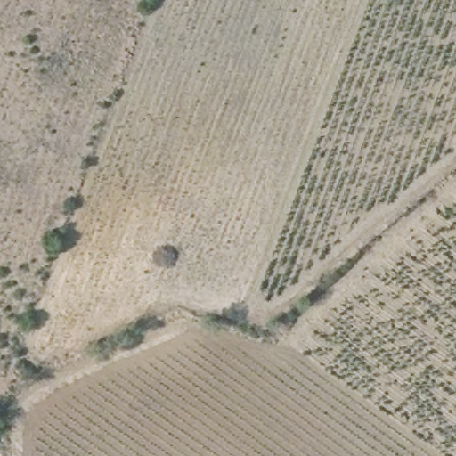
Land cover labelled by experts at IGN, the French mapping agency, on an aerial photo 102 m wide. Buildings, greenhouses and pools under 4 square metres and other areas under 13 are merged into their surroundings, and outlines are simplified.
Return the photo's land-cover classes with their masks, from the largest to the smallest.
<instances>
[{"label":"vineyard","instance_id":"1","mask_svg":"<svg viewBox=\"0 0 456 456\"><path fill-rule=\"evenodd\" d=\"M139 11L150 16L146 27L142 28L139 45H134L139 50L135 53L134 64L130 66V73L126 77L123 96L116 105L103 110L102 119L109 125L105 126V135L98 144V164L89 167L87 171L82 191L84 203L82 207L75 208L69 199L64 201V214H73V223L80 233V239L73 248L62 251L59 248V240L52 237V233L46 232L43 235L46 260L53 262V269L46 285L45 296L41 297L37 308L48 312V319L41 328L34 330L28 310L16 313L12 308L11 312H5L7 319L30 331L25 338L28 360L52 369L53 378L36 381L27 392H21L16 399L9 395L0 397V456H456V0H141ZM374 235H381V240L342 280L335 283L331 294L317 305L308 308L294 326H283L278 322L276 315L289 312L296 299L310 294L317 287L321 274L333 273L340 265L346 264L347 258L356 255L358 249L365 246ZM160 246H175L178 249L180 256L173 267L153 262V253ZM296 251L299 253L297 262L306 264L308 260H312V269L303 271L296 285H287L281 296H274L271 301H265L262 281L269 262L283 256L290 258ZM232 305L235 308H246L248 321L271 331V337H251L249 333H242L233 326L219 322L207 324L210 313H221ZM142 315H155L166 324L159 330L146 331L142 344L134 349L116 351L109 360L103 362H98L96 356L85 353V346L89 340H98L114 331L125 330L130 322L137 321Z\"/></svg>","mask_w":456,"mask_h":456},{"label":"plowed land","instance_id":"2","mask_svg":"<svg viewBox=\"0 0 456 456\"><path fill-rule=\"evenodd\" d=\"M141 0H0V397L9 395L16 399L21 392H27L36 381L53 378L52 369L28 360L25 338L30 331L7 319L5 312H11L12 308L16 313L28 310L34 330L41 328L48 319V312L37 308L41 297L45 296L46 285L53 269V262L46 260L43 235L46 232L52 233V237L59 240V248L62 251L73 248L80 239V233L73 223V214H64V201L69 199L75 208L82 207L84 203L82 191L87 171L89 167L98 164V144L105 135V126L109 125L102 119L103 110L116 105L123 96L126 77L130 73V66L134 64L135 53L139 50L134 45H139L142 28L146 27L150 16L139 11ZM381 240V235H374L365 246L358 249L356 255L347 258L346 264L340 265L333 273L321 274L317 287L310 294L296 299L289 312L276 315L278 322L283 326H294L308 308L317 305L331 294L335 283L342 280ZM180 256L178 249L175 246H160L153 253V262L173 267ZM299 253L296 251L290 258L283 256L269 262L262 281L265 301H271L274 296H281L287 285H296L303 271L312 269V260H308L306 264L297 262ZM219 322L233 326L242 333H249L251 337H271V331L248 321L246 308H235L232 305L221 313H210L207 324ZM166 324L155 315H142L137 321L130 322L125 330L114 331L98 340H89L85 346V353L96 356L98 362H103L109 360L116 351L134 349L142 344L146 331L159 330Z\"/></svg>","mask_w":456,"mask_h":456}]
</instances>
